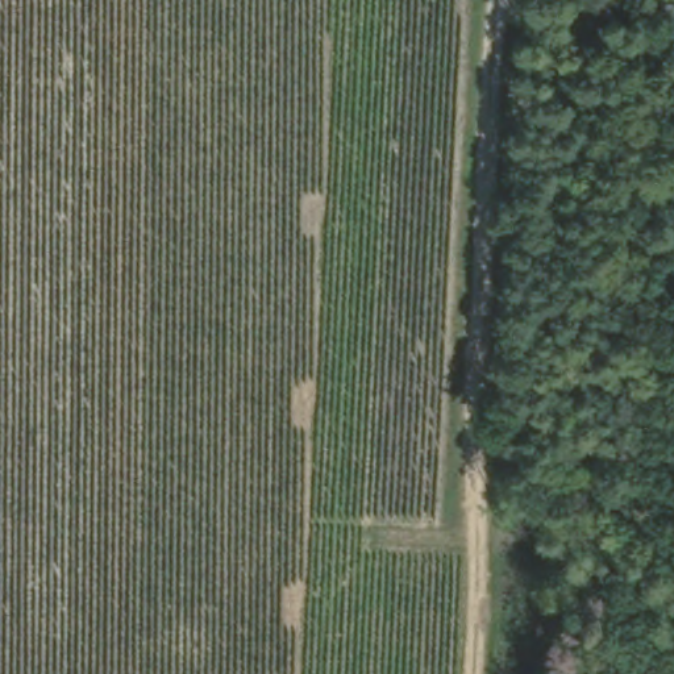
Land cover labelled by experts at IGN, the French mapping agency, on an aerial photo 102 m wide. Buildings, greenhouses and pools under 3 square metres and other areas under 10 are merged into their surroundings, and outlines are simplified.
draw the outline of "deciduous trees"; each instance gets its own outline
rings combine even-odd
[[[611,603],[603,606],[603,616],[592,613],[592,632],[600,632],[600,642],[598,648],[587,648],[587,656],[577,661],[579,674],[674,674],[674,524],[666,527],[658,540],[640,542],[635,534],[629,534],[629,540],[619,550],[611,550],[619,574],[627,574],[627,579],[619,582],[619,587],[611,592]]]
[[[645,348],[653,355],[653,366],[648,369],[648,374],[658,382],[656,395],[642,400],[632,411],[632,416],[637,419],[635,429],[640,429],[642,450],[627,455],[624,461],[611,458],[608,474],[613,474],[624,484],[640,484],[642,495],[637,500],[666,503],[671,492],[666,466],[674,463],[674,247],[669,250],[671,258],[656,269],[650,287],[640,287],[640,298],[635,303],[608,295],[608,308],[600,308],[600,313],[587,313],[579,319],[587,326],[592,321],[619,321],[619,332],[632,337],[637,348]]]
[[[640,190],[640,195],[648,203],[656,203],[650,208],[648,221],[640,229],[674,229],[674,163],[663,169],[661,182],[645,182]]]
[[[661,76],[663,71],[674,74],[674,39],[658,55],[642,53],[645,76]]]
[[[495,242],[495,261],[508,255],[516,242],[521,242],[521,237],[513,232],[513,221],[508,213],[500,213],[500,219],[492,226],[484,229],[487,237]]]

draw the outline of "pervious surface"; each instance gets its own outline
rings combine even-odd
[[[474,82],[479,90],[479,132],[466,147],[463,187],[469,195],[469,211],[461,250],[463,292],[458,295],[458,313],[466,321],[466,332],[455,340],[450,361],[450,398],[463,400],[471,392],[471,376],[482,358],[482,313],[487,308],[487,287],[495,274],[495,261],[495,242],[487,237],[484,229],[482,213],[492,190],[490,140],[495,134],[487,103],[500,68],[500,50],[495,50],[492,45],[503,37],[506,24],[516,21],[516,8],[524,0],[487,0],[484,5],[490,11],[490,37],[479,45],[487,61],[471,74]]]
[[[463,477],[466,674],[482,674],[490,627],[484,500],[487,450],[482,450],[469,437],[466,429],[461,429],[453,440],[461,448],[461,458],[471,463],[471,469]]]

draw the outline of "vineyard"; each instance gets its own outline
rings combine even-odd
[[[463,187],[466,147],[466,100],[469,84],[474,82],[471,74],[469,0],[0,0],[0,674],[466,674],[463,477],[471,469],[471,463],[461,458],[461,448],[453,440],[461,429],[466,429],[471,424],[471,408],[463,400],[450,398],[450,361],[455,340],[466,332],[466,321],[458,313],[458,295],[463,292],[461,250],[469,211],[469,195]]]

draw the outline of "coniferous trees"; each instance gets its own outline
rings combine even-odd
[[[656,395],[658,382],[648,374],[648,369],[653,366],[653,355],[645,348],[637,348],[632,337],[619,332],[619,321],[592,321],[587,326],[579,319],[587,313],[600,313],[600,308],[608,308],[608,295],[635,303],[640,298],[640,287],[650,287],[656,269],[671,258],[669,250],[674,247],[674,229],[640,229],[648,221],[650,208],[656,203],[648,203],[640,195],[640,190],[645,182],[661,182],[663,169],[674,163],[674,74],[663,71],[661,76],[645,76],[642,53],[658,55],[674,39],[674,0],[524,0],[516,8],[516,21],[506,24],[503,37],[492,45],[495,50],[500,50],[500,68],[487,103],[495,134],[490,140],[492,190],[482,213],[484,229],[492,226],[500,219],[500,213],[508,213],[513,221],[513,232],[521,237],[521,242],[516,242],[508,255],[495,261],[495,274],[487,287],[487,308],[482,313],[482,358],[471,376],[471,392],[463,400],[471,408],[471,424],[466,429],[469,437],[482,450],[487,450],[484,500],[490,627],[482,674],[579,674],[577,661],[587,656],[587,648],[598,648],[600,642],[600,632],[592,632],[592,613],[603,616],[603,606],[611,603],[611,592],[619,587],[619,582],[627,579],[627,574],[619,574],[611,550],[619,550],[629,540],[629,534],[635,534],[640,542],[658,540],[666,527],[674,524],[674,463],[666,466],[671,492],[666,503],[637,500],[642,495],[640,484],[624,484],[613,474],[608,474],[611,458],[624,461],[627,455],[642,450],[640,429],[635,429],[637,419],[632,416],[632,411],[642,400]]]

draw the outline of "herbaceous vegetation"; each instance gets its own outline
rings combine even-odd
[[[466,147],[479,132],[479,90],[474,82],[469,84],[466,100]]]
[[[471,74],[487,61],[479,45],[490,37],[490,11],[484,5],[487,0],[469,0]]]

